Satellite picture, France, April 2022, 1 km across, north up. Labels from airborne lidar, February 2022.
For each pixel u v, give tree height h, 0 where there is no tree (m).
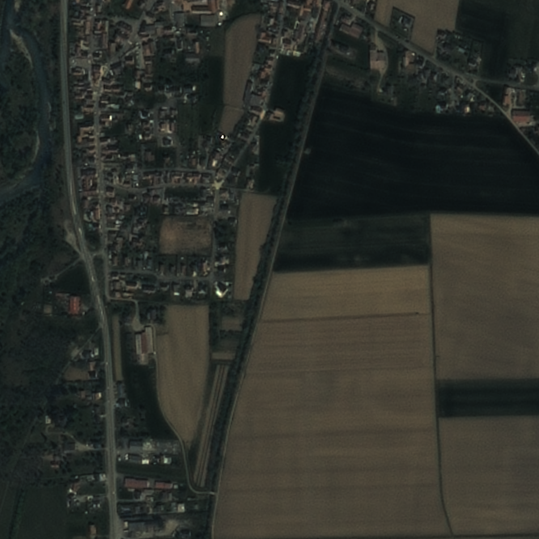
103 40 0
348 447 0
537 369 0
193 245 0
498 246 0
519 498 0
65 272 0
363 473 0
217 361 0
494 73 0
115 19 0
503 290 0
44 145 0
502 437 0
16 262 26
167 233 0
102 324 0
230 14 0
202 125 0
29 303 0
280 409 0
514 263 0
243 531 0
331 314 0
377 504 0
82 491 0
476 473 0
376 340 0
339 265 0
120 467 0
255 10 0
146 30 0
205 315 0
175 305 0
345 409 0
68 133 0
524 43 0
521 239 0
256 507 0
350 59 0
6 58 0
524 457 0
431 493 0
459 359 0
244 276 0
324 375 0
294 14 10
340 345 0
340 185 0
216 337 6
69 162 0
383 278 0
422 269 0
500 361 0
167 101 0
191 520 0
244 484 0
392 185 0
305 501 0
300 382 0
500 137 0
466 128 0
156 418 0
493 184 0
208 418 0
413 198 0
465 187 0
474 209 0
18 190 0
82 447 0
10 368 0
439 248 0
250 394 0
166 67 0
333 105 0
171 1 0
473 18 0
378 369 0
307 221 0
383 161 0
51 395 14
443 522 0
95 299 0
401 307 0
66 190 0
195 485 0
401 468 0
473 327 0
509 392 0
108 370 0
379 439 0
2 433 10
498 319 0
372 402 0
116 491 0
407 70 0
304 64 0
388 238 0
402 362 0
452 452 0
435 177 0
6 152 17
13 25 0
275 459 0
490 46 0
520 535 0
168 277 0
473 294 0
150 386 0
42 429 0
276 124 0
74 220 0
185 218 0
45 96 0
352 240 0
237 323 0
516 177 0
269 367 0
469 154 0
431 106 0
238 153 11
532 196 0
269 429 0
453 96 0
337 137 0
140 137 0
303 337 0
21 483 15
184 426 0
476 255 0
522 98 0
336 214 0
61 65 0
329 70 0
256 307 7
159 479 7
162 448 0
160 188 0
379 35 0
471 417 0
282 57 0
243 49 0
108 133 0
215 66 0
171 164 0
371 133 0
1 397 7
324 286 0
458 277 0
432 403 0
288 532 0
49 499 0
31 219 10
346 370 0
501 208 0
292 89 0
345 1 0
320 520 0
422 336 0
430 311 0
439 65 0
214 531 0
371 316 0
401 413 0
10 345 0
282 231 0
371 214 0
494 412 0
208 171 0
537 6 0
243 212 0
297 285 0
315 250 0
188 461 0
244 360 13
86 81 0
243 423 0
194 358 0
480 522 0
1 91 14
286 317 0
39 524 0
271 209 0
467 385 0
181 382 0
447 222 0
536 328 0
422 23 0
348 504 0
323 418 0
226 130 0
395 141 0
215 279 0
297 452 0
